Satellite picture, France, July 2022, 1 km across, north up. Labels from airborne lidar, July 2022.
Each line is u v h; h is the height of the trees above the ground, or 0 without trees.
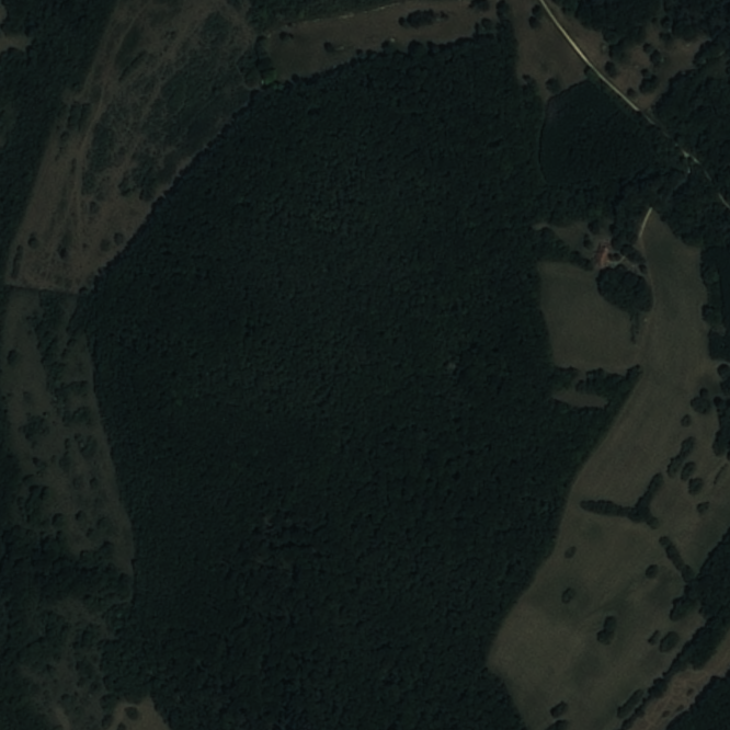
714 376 0
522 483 19
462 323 16
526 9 0
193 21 0
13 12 11
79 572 18
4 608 18
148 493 16
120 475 8
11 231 6
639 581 0
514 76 19
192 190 20
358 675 20
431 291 13
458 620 15
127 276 17
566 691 0
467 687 19
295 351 13
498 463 18
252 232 15
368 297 13
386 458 19
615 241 10
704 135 10
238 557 19
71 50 7
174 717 17
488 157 18
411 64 23
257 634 24
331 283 12
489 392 17
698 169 18
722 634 20
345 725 21
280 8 9
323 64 0
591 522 0
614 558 0
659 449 0
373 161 16
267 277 14
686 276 0
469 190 15
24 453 0
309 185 13
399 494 24
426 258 14
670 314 0
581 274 0
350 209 15
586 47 0
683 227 24
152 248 17
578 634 0
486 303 15
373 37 0
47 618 8
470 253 16
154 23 0
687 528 0
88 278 0
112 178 0
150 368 19
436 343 17
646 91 13
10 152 11
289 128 20
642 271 14
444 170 17
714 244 7
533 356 19
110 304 16
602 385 17
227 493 15
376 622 15
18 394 0
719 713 21
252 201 18
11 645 11
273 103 16
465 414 21
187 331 16
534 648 0
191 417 15
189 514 15
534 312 21
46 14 15
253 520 19
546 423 16
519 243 17
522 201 18
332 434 17
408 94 21
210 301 16
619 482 0
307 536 22
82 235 0
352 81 18
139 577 10
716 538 0
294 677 21
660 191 13
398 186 15
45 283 0
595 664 0
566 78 0
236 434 18
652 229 0
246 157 17
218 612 20
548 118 7
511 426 17
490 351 22
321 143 17
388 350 16
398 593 17
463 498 17
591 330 0
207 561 16
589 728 0
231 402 16
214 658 25
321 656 21
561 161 10
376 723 20
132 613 9
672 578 0
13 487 8
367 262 9
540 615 0
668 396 0
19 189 8
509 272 16
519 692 0
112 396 14
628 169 12
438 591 19
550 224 8
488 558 18
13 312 0
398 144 17
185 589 18
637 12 21
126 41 0
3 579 9
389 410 16
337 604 17
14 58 9
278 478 18
